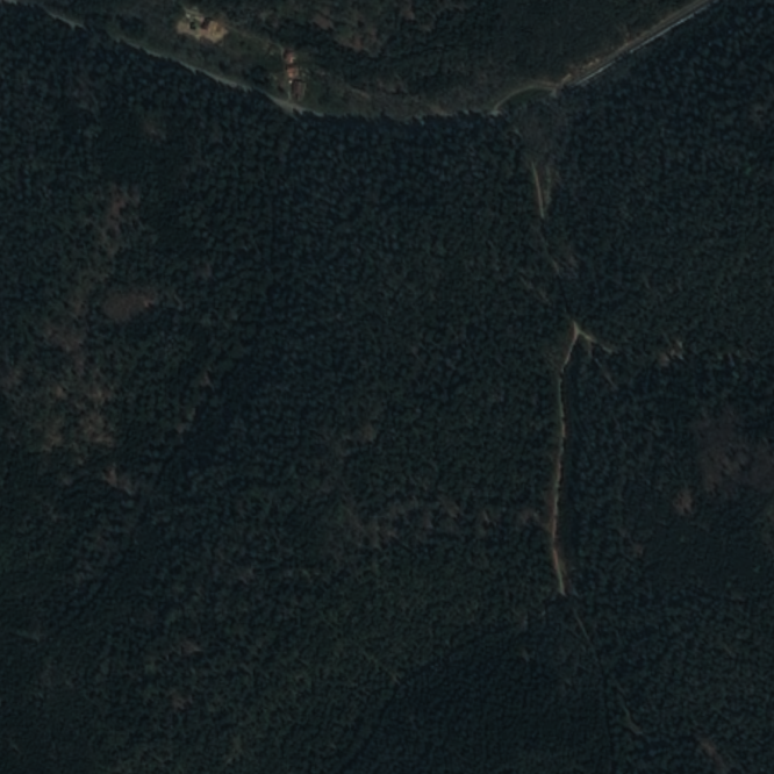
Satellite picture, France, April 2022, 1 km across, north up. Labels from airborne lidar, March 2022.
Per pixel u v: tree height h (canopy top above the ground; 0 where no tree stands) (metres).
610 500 28
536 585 12
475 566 20
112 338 28
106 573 27
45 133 28
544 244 23
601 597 32
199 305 39
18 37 14
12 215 29
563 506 12
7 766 18
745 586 12
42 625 27
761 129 23
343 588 25
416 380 11
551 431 31
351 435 17
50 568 12
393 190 30
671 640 11
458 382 35
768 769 31
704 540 11
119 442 10
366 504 27
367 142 19
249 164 31
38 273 27
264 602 14
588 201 18
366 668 27
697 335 19
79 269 9
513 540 28
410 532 36
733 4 18
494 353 33
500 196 22
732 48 26
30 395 7
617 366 7
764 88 24
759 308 27
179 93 24
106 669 24
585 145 8
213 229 16
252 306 26
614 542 29
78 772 20
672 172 27
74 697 16
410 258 23
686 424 14
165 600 17
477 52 21
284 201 22
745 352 33
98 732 14
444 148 26
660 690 16
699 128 23
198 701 13
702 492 13
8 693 25
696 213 28
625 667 13
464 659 27
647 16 17
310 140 28
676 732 28
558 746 19
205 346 18
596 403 26
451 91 14
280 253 25
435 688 28
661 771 28
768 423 12
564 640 20
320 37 18
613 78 19
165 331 15
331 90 19
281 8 17
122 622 20
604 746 23
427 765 24
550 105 21
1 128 28
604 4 19
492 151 9
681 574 8
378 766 23
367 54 9
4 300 30
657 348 26
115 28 18
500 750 17
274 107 29
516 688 27
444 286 28
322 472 8
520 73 20
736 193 18
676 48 17
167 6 13
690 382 16
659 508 12
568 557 8
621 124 25
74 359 14
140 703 11
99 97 17
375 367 27
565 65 21
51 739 18
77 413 15
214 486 29
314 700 30
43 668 20
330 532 19
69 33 22
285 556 11
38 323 24
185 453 18
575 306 30
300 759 26
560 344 24
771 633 14
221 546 25
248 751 20
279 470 22
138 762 23
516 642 22
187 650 21
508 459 28
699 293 22
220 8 17
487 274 28
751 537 10
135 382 8
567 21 18
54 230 28
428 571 27
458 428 30
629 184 26
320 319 26
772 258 27
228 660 28
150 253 26
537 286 20
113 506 21
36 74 27
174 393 18
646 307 27
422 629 25
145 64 20
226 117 13
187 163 14
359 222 25
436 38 14
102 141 20
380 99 24
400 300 20
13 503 11
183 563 25
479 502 35
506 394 32
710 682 23
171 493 13
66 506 14
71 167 30
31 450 12
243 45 9
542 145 23
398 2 11
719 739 29
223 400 22
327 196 28
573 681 21
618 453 11
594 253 32
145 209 12
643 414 31
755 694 28
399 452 28
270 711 22
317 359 26
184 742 19
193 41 18
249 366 16
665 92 30
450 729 21
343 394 22
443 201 31
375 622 24
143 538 21
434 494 12
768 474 14
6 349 28
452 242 25
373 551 29
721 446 16
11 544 15
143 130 18
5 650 24
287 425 23
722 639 23
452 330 35
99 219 24
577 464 5
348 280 26
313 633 23
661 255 23
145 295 21
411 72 19
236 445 32
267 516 25
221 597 23
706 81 27
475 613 8
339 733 36
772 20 17
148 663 18
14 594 19
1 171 28
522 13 19
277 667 24
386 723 26
